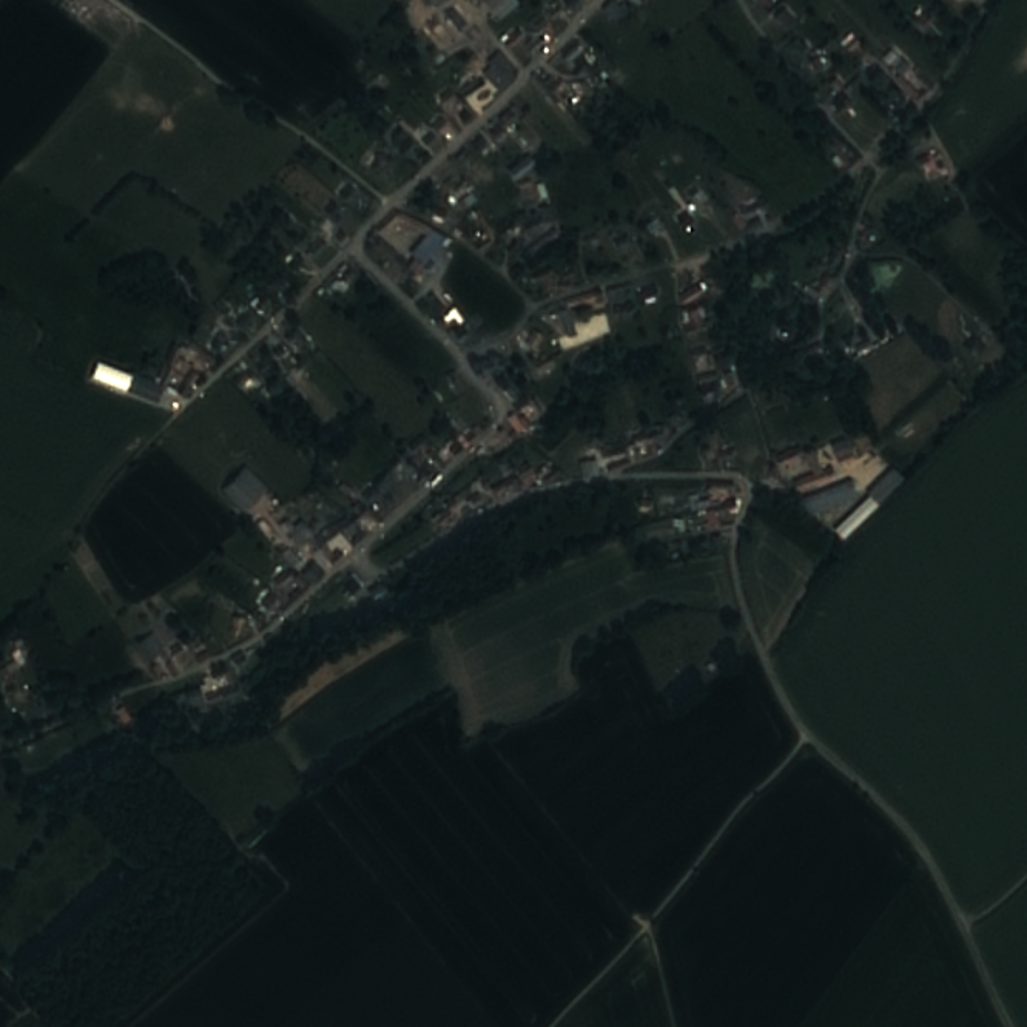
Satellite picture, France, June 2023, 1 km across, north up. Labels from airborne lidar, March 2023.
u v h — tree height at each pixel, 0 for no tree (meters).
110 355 0
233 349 0
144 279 19
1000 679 0
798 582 0
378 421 0
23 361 0
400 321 0
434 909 0
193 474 0
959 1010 0
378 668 0
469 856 0
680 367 0
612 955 0
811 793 0
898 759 0
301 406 13
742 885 0
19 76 0
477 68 0
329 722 0
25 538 0
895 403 0
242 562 0
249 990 0
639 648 0
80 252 0
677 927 0
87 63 0
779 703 0
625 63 0
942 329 0
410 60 16
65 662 0
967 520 0
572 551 13
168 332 0
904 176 0
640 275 0
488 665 0
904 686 0
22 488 0
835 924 0
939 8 9
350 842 0
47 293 0
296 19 0
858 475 0
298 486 0
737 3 0
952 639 0
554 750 0
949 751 0
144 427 0
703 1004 0
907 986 0
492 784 0
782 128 0
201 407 0
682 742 0
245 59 0
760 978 0
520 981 0
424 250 0
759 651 0
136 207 0
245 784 0
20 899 0
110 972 20
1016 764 0
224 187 0
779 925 0
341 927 0
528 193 0
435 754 0
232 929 0
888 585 0
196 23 0
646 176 0
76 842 0
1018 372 14
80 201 0
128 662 0
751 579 0
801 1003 0
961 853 0
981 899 0
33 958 25
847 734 0
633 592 0
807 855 0
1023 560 0
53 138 0
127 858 15
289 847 0
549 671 0
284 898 0
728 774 0
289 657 17
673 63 0
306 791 7
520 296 0
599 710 0
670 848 0
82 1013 23
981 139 0
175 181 0
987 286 0
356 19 0
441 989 0
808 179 0
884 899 0
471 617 0
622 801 0
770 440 0
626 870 0
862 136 0
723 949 0
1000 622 0
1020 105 0
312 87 0
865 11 0
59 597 0
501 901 0
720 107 0
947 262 0
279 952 0
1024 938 0
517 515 8
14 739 15
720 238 0
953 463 0
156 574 0
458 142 0
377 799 0
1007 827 0
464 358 0
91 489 0
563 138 0
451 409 0
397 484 0
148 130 0
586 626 0
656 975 0
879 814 0
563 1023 0
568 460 0
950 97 0
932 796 0
